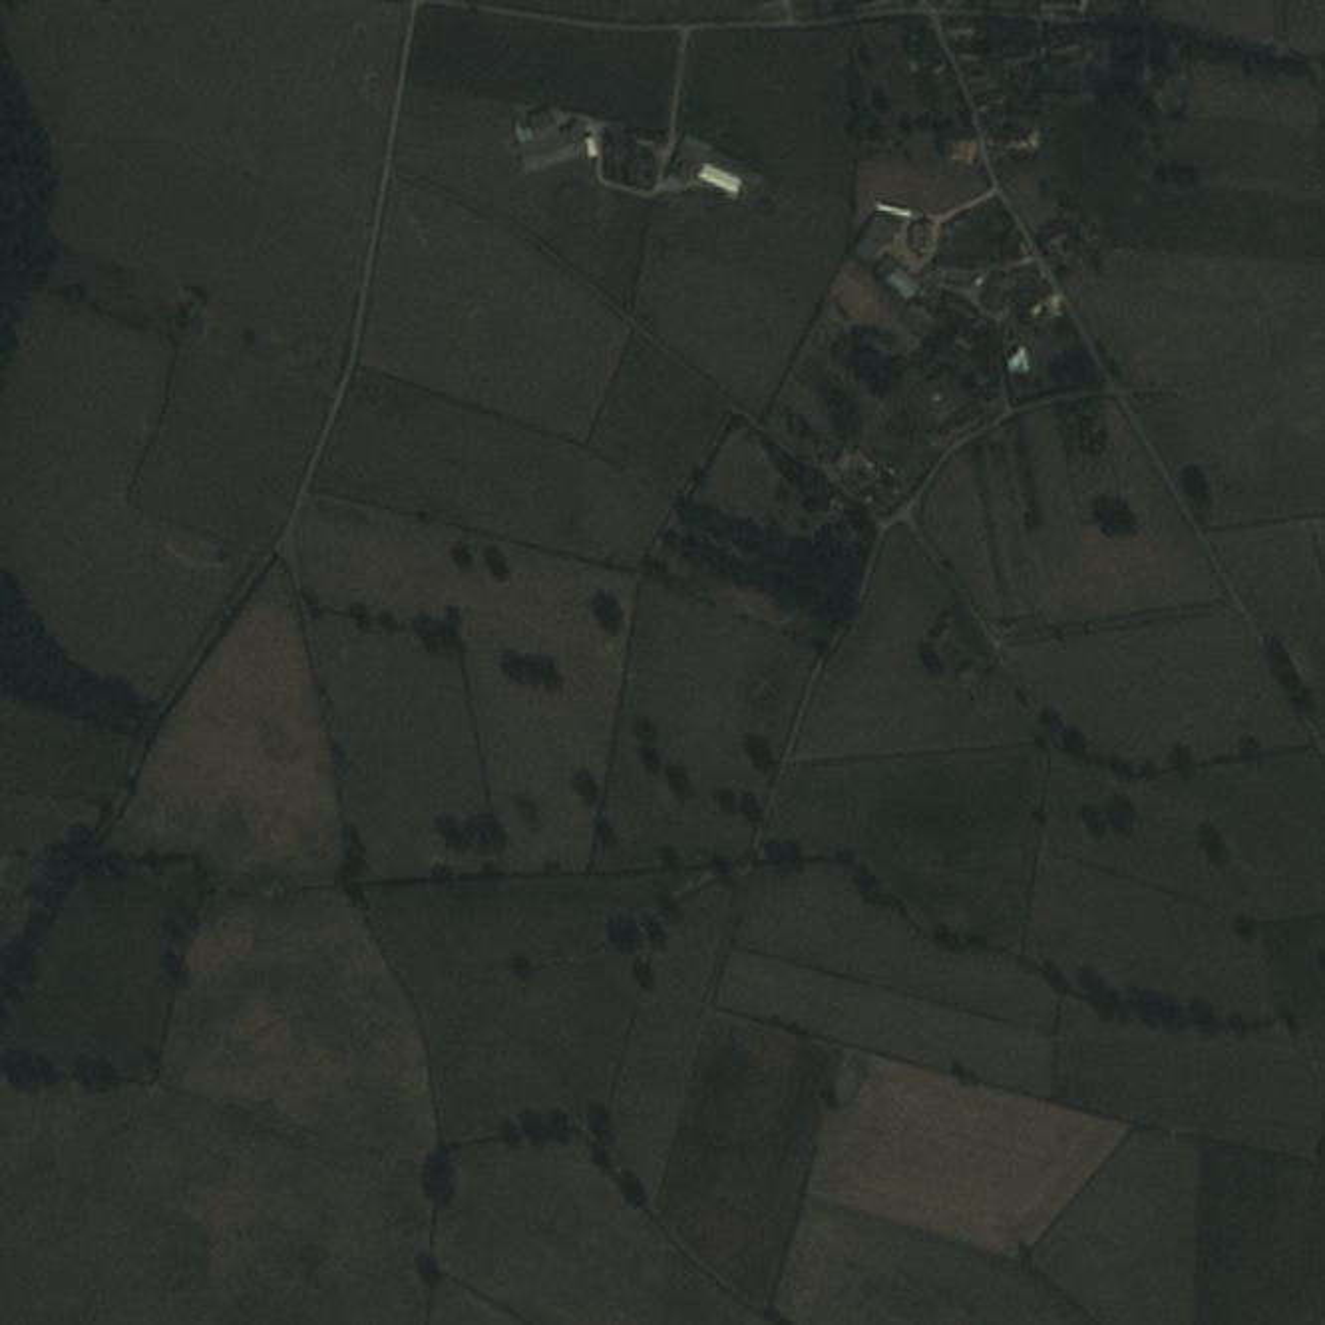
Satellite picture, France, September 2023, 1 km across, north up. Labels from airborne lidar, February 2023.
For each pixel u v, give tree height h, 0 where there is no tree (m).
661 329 0
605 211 0
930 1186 0
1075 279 0
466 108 0
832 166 0
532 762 0
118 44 0
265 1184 0
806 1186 0
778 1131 0
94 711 13
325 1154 0
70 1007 0
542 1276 0
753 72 0
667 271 0
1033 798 0
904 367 7
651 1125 0
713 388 0
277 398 0
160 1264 0
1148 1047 0
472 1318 0
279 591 0
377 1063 0
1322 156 0
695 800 0
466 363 0
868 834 0
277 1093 0
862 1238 0
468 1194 0
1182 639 0
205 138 0
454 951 0
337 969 0
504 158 0
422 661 0
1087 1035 0
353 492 0
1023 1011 0
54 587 0
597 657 0
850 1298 0
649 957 0
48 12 0
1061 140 0
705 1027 0
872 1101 0
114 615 0
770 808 0
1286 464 0
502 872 10
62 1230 0
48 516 0
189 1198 0
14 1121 0
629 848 0
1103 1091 0
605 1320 0
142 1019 0
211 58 0
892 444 0
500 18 0
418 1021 0
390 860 0
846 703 0
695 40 0
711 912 0
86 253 0
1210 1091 0
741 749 0
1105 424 0
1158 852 0
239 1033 0
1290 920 0
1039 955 0
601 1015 0
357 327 0
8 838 0
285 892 0
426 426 0
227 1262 0
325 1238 0
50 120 0
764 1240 0
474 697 0
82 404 0
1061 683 0
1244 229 0
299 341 0
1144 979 0
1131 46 10
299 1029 0
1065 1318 0
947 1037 0
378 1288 0
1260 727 0
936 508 0
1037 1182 0
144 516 0
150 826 0
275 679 0
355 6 0
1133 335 0
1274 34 0
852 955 0
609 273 0
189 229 0
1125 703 0
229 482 0
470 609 0
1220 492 0
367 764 0
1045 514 0
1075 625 0
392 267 0
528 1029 0
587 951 0
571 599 0
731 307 0
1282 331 0
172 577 0
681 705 0
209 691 0
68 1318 0
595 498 0
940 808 0
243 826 0
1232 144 0
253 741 0
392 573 0
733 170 0
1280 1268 0
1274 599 0
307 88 0
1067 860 0
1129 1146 0
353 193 0
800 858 13
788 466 9
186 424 0
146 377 0
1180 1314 0
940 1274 0
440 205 0
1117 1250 0
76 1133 0
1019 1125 0
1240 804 0
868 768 0
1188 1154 0
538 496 0
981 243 0
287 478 0
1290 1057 0
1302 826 0
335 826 0
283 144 0
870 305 0
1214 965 0
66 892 7
